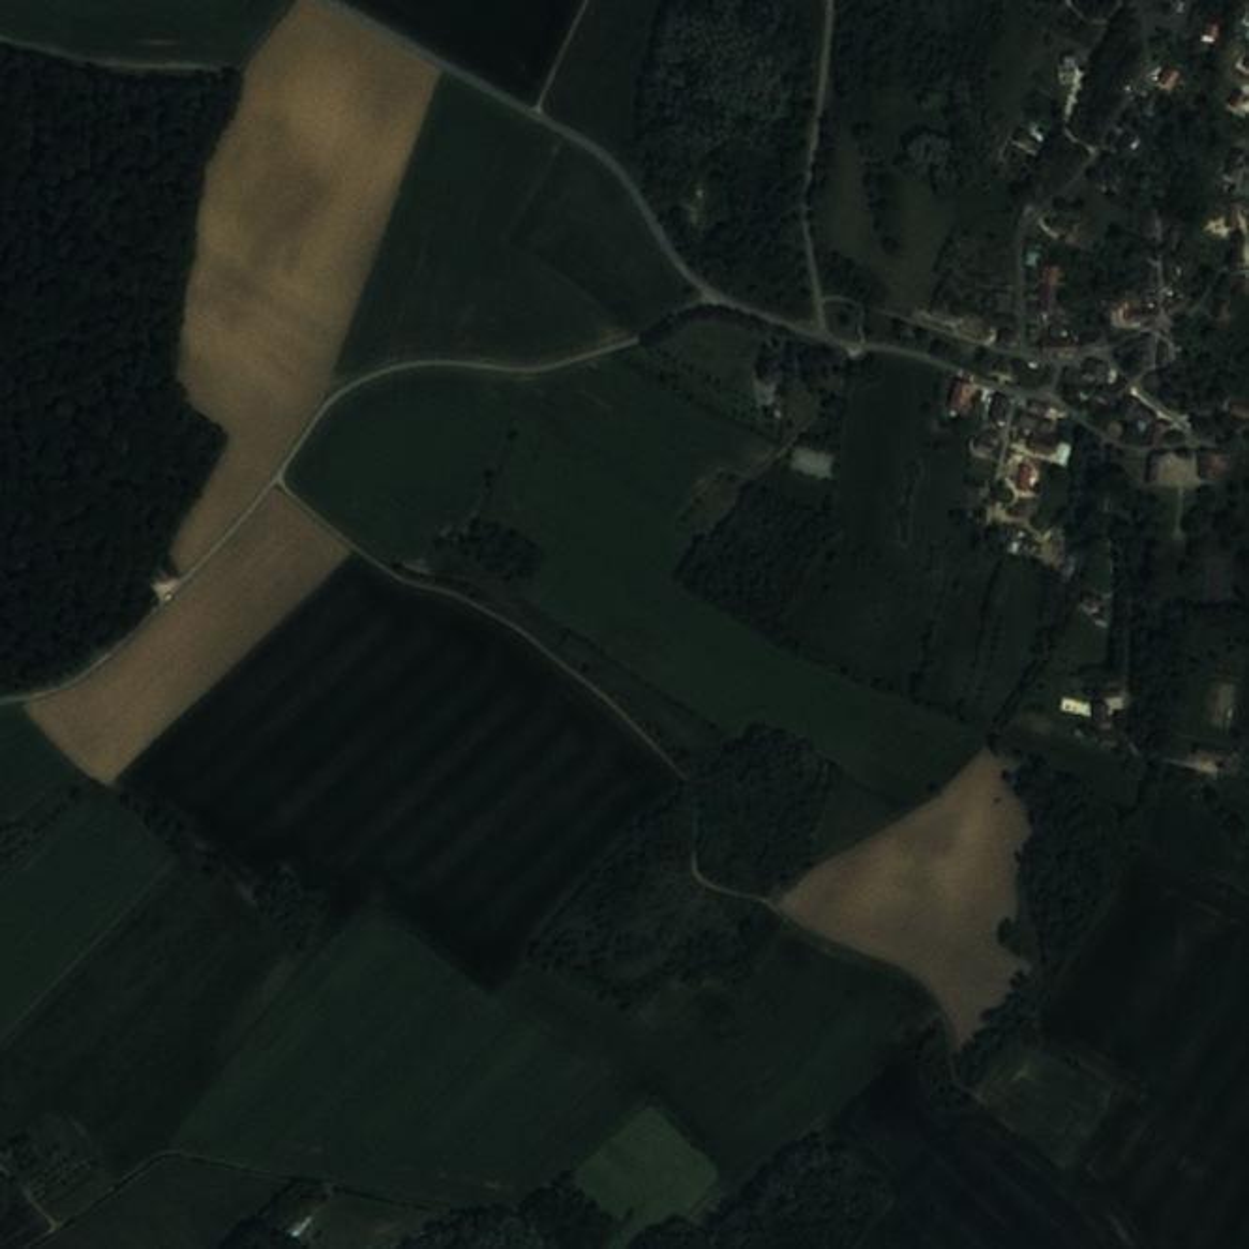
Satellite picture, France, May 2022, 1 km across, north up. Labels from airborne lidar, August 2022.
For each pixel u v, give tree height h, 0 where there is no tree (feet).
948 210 0
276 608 0
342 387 0
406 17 0
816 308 0
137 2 0
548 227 0
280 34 0
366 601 0
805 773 26
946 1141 0
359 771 0
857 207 0
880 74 28
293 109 0
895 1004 0
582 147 0
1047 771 67
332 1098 0
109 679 0
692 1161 0
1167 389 33
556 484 0
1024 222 0
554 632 0
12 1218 0
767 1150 0
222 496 0
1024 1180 0
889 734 0
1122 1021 0
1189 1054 0
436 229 0
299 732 0
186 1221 0
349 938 0
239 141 0
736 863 32
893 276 0
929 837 0
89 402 85
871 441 0
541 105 0
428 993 0
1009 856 0
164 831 58
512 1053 0
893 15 22
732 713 0
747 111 64
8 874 0
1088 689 22
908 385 0
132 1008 0
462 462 0
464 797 0
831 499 22
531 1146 0
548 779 0
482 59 0
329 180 0
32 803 0
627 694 0
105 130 79
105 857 0
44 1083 0
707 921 0
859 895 0
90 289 93
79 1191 0
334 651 0
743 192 19
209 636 0
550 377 0
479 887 0
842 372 29
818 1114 0
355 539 0
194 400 0
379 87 0
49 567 102
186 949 0
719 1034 0
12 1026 0
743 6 55
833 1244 41
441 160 0
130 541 83
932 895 0
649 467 0
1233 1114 0
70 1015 0
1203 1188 0
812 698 0
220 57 0
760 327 56
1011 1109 0
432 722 0
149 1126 0
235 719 0
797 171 29
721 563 44
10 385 87
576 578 0
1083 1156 0
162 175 87
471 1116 0
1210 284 43
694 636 0
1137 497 35
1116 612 46
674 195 22
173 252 72
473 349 0
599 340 0
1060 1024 0
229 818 0
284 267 0
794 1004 0
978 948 0
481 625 0
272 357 0
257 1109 0
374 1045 0
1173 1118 0
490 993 0
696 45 78
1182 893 0
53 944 0
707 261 44
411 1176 0
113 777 0
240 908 0
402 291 0
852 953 0
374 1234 0
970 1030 0
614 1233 41
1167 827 0
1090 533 56
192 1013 0
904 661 0
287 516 0
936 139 59
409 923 0
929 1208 0
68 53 0
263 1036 0
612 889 23
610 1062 0
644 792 0
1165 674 66
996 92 0
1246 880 0
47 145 78
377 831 0
